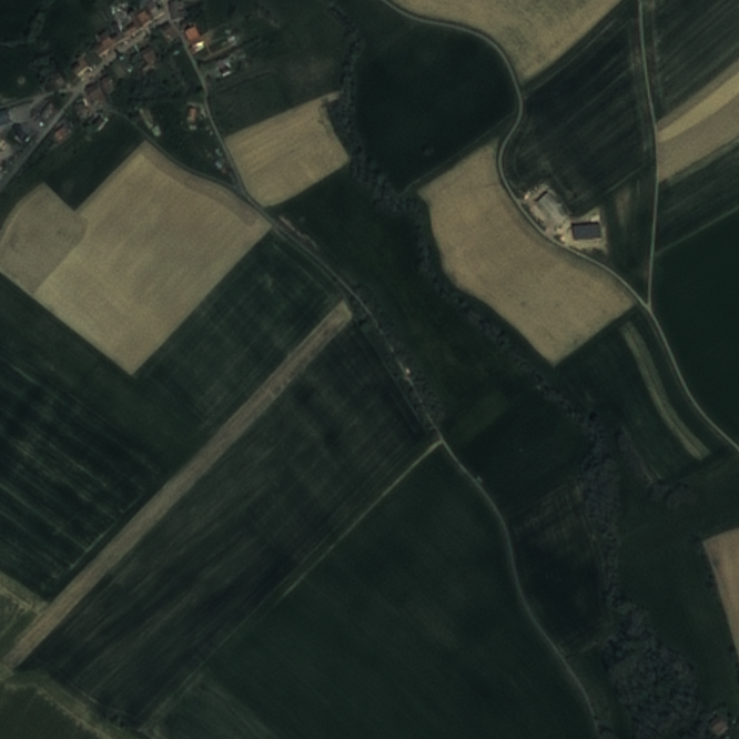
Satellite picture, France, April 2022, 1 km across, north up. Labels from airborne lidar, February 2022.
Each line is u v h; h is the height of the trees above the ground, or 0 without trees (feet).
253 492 0
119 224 0
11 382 0
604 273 0
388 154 0
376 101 0
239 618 0
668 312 0
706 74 0
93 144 0
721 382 0
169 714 0
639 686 102
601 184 0
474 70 0
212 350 0
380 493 0
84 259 0
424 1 0
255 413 0
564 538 0
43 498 0
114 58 0
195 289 0
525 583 0
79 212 0
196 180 0
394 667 0
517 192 0
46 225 0
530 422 0
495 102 0
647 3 0
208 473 0
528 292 0
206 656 0
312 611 0
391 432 0
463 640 0
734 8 0
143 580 0
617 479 63
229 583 0
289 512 0
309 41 0
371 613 0
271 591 0
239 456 0
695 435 0
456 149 0
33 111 0
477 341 0
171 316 0
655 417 0
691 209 0
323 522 0
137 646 0
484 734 0
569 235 0
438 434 43
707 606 0
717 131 0
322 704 0
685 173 0
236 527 0
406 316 0
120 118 0
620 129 0
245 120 0
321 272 0
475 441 0
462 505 0
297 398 0
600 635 0
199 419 0
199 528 0
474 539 0
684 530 0
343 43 0
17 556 0
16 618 0
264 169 0
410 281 0
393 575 0
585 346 0
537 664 0
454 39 0
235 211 0
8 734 0
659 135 0
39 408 0
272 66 0
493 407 0
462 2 0
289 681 0
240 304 0
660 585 0
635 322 0
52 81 26
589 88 0
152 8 0
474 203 0
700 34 0
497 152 0
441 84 0
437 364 0
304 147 0
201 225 0
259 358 0
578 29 0
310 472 0
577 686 0
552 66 0
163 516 0
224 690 0
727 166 0
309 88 0
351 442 0
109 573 0
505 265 0
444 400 0
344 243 0
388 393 0
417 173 0
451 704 0
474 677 0
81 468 0
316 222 0
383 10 0
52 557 0
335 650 0
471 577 0
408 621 0
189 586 0
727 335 0
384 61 0
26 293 0
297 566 0
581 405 0
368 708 0
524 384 0
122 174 0
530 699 0
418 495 0
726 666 0
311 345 0
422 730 0
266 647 0
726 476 0
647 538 0
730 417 0
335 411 0
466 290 0
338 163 0
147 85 17
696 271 0
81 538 0
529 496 0
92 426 0
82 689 0
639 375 0
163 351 0
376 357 0
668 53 0
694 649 0
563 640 0
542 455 0
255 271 0
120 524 0
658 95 0
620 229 0
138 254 0
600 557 0
